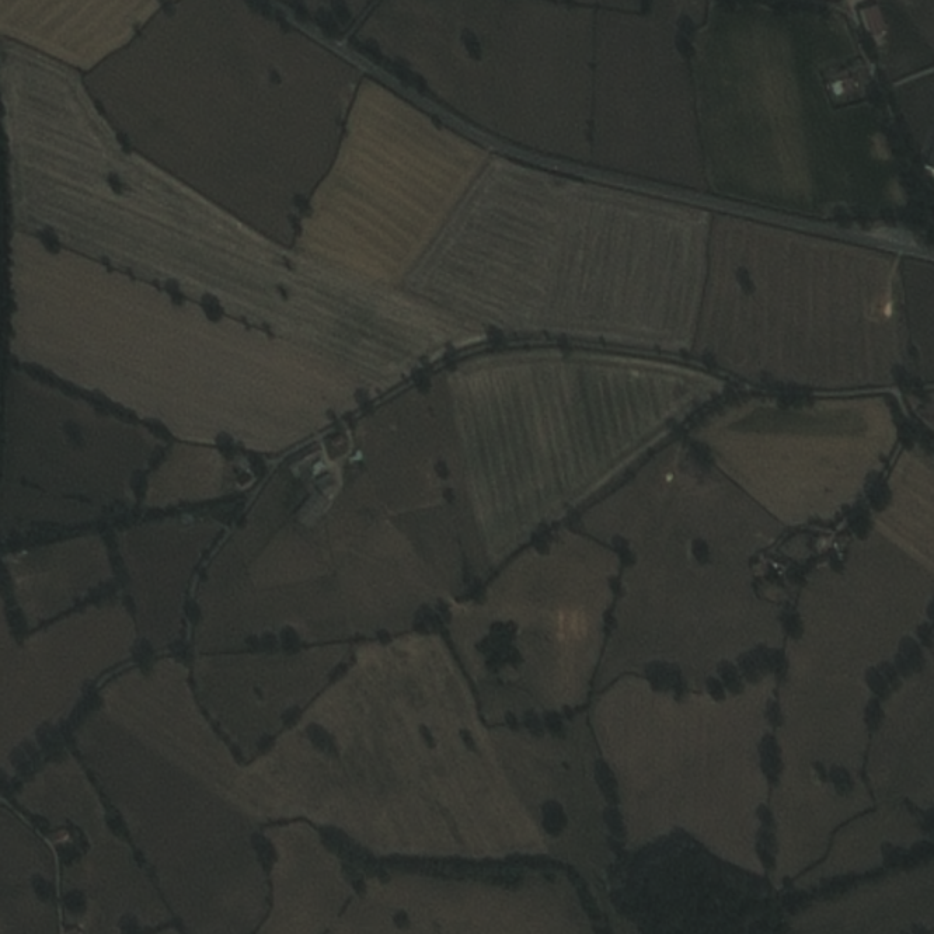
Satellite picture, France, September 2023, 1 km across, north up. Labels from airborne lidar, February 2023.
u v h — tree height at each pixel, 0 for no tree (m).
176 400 0
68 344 0
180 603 0
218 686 0
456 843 0
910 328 0
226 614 0
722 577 0
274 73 0
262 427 0
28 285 0
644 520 0
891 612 0
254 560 0
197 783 0
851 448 0
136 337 0
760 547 0
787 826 0
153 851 0
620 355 0
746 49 0
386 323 0
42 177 0
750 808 0
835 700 0
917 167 16
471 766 0
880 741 0
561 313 0
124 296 0
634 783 0
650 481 0
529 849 0
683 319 0
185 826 0
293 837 0
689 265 0
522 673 0
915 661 23
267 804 0
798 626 14
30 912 0
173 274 0
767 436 0
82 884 0
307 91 0
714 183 0
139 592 0
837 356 0
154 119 0
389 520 0
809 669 0
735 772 0
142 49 0
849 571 0
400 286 0
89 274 0
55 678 0
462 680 0
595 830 0
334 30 15
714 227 0
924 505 0
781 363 0
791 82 0
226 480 0
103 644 0
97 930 0
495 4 0
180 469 0
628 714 0
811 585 0
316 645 0
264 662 0
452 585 0
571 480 0
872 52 14
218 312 15
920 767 0
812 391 11
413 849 0
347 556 0
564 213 0
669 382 0
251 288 0
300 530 0
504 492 0
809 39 0
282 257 0
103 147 0
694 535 0
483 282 0
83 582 0
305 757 0
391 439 0
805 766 0
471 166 0
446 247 0
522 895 0
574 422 0
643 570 0
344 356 0
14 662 0
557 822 15
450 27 0
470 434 0
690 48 17
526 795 0
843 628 0
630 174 0
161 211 0
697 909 24
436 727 0
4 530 0
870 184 0
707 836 0
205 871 0
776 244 0
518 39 0
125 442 0
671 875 21
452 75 0
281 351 0
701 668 0
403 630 0
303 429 0
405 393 0
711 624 0
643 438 0
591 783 0
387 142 0
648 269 0
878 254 0
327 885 0
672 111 0
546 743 0
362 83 0
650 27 0
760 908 16
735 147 0
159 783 0
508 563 0
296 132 0
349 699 0
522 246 0
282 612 0
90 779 12
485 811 0
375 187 0
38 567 0
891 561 0
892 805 0
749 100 0
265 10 18
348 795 0
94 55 0
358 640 8
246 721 0
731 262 0
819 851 0
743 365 0
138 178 0
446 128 0
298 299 0
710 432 0
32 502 0
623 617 0
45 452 0
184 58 0
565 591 0
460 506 0
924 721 0
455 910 0
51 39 0
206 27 0
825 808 0
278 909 0
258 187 0
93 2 0
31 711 0
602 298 0
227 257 0
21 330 0
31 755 20
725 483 0
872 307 0
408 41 0
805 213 0
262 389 0
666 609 0
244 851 0
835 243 0
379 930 0
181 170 0
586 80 0
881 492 23
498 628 8
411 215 0
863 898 0
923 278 0
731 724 0
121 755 0
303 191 0
